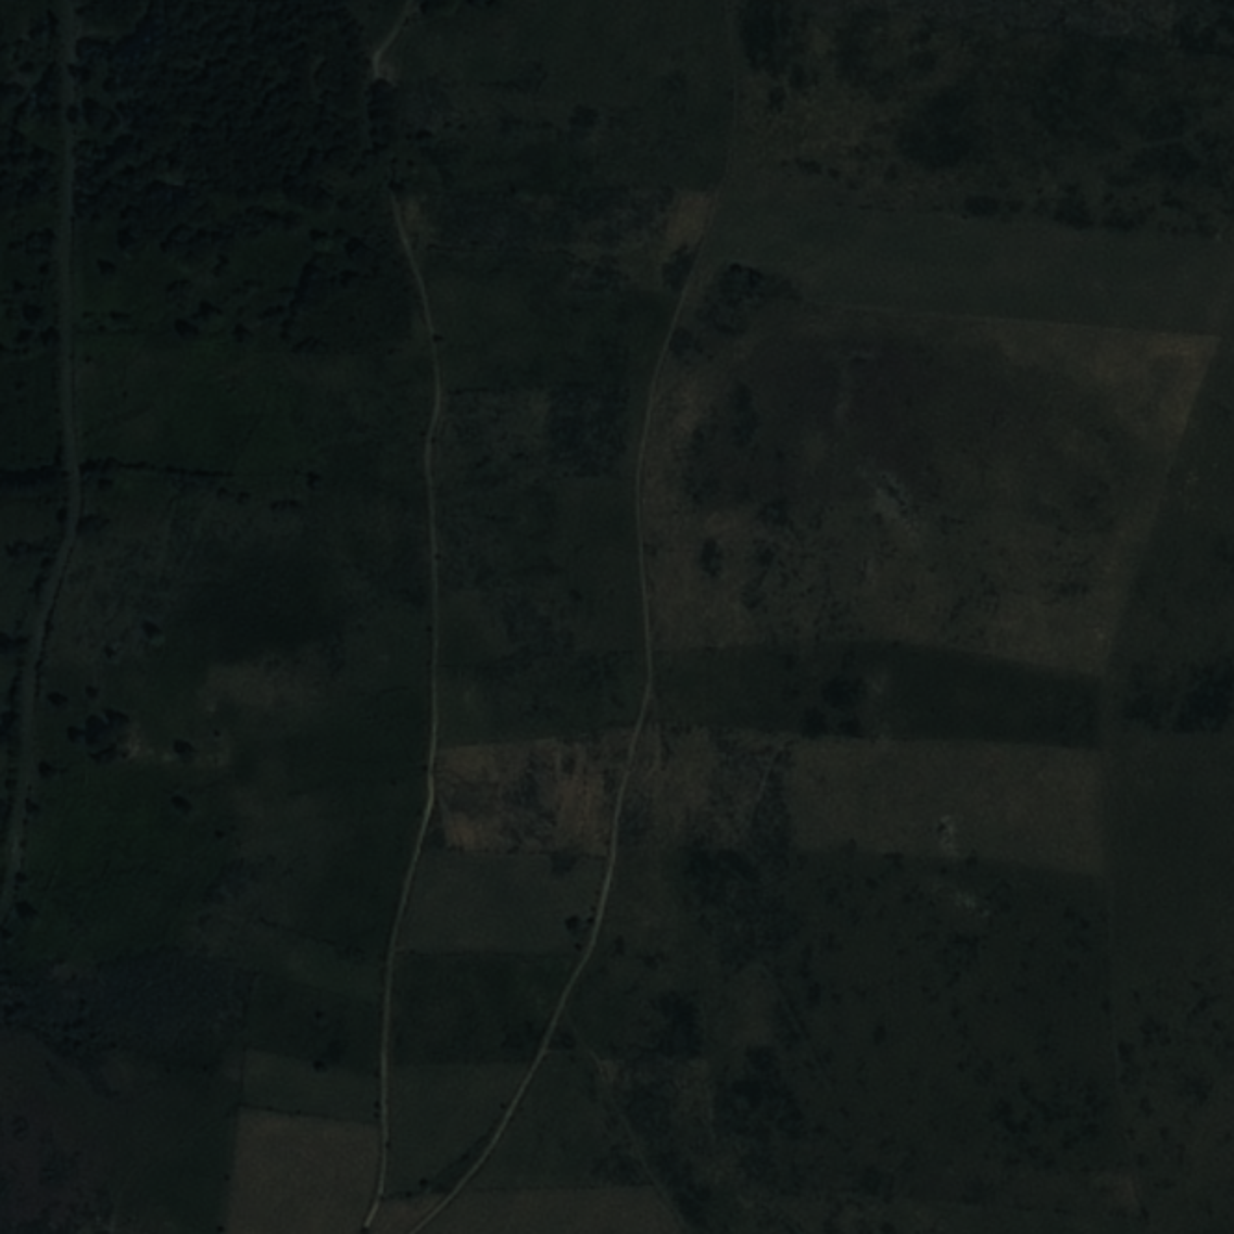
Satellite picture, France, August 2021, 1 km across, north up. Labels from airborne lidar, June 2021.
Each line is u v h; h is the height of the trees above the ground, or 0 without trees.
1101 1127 0
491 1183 0
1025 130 0
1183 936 0
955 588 0
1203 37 0
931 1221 0
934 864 0
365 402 0
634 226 0
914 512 0
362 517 0
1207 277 0
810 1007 0
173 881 0
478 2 12
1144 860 0
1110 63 0
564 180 0
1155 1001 0
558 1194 0
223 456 0
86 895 0
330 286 14
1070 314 0
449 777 0
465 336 0
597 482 0
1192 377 0
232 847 0
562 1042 0
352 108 6
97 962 0
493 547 0
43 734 0
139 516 0
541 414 0
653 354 0
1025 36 0
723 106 0
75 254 0
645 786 0
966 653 0
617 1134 0
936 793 0
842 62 0
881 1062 0
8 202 19
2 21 6
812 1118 0
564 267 0
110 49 11
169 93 12
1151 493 0
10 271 0
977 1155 0
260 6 13
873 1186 0
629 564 0
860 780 0
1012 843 0
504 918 0
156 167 16
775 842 0
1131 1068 0
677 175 0
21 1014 7
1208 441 0
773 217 0
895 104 0
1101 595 0
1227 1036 0
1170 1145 0
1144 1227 0
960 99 0
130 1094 0
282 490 0
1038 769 0
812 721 0
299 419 0
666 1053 0
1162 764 0
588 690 0
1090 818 0
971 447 0
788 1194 0
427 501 0
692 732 0
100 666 0
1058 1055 0
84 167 7
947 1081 0
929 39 0
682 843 0
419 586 0
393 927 0
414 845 0
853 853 0
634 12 0
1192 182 0
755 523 0
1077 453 0
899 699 0
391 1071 0
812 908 0
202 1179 0
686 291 0
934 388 0
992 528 0
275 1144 0
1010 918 0
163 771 0
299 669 0
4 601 0
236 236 8
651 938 0
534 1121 0
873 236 0
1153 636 0
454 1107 0
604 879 0
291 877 0
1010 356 0
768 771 0
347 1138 0
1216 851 0
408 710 0
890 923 0
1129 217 0
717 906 0
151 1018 0
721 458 0
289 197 17
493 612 0
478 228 0
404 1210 0
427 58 0
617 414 0
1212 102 0
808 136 0
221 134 13
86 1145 0
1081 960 0
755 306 0
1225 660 0
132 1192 0
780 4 0
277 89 9
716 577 0
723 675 0
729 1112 0
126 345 0
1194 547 0
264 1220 0
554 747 0
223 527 0
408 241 0
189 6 12
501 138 0
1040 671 0
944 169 0
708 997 0
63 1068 0
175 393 0
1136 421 0
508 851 0
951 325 0
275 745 0
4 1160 0
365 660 0
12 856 0
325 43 6
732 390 0
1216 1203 0
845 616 0
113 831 0
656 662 0
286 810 0
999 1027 0
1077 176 0
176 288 8
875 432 0
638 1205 0
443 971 0
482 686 0
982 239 0
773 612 0
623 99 0
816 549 0
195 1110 0
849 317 0
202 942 0
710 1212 0
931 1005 0
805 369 0
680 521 0
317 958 0
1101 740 0
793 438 0
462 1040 0
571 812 0
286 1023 0
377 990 0
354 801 0
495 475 0
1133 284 0
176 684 0
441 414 0
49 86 12
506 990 0
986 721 0
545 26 0
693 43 0
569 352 0
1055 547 0
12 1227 0
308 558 0
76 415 0
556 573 0
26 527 0
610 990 0
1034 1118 0
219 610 0
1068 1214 0
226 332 0
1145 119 0
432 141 10
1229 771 0
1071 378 0
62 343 13
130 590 0
